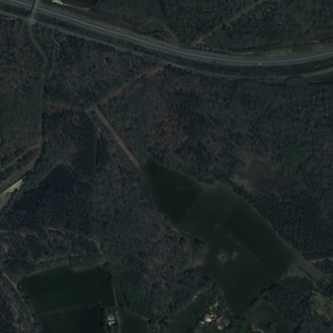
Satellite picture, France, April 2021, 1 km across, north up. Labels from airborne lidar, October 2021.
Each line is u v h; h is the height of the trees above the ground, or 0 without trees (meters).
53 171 8
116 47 0
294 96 11
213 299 6
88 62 18
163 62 18
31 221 29
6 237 15
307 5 19
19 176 0
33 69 21
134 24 10
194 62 0
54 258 17
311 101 9
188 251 0
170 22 16
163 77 15
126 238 25
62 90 20
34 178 26
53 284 0
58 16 0
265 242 0
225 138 14
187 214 0
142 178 27
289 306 15
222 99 11
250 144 19
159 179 0
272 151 19
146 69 26
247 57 0
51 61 17
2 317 19
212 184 19
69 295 0
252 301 0
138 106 23
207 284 26
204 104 12
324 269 9
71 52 24
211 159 22
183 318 0
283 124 21
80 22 0
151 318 22
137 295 24
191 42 16
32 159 18
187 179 0
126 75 13
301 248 15
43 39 22
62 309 0
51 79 9
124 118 27
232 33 15
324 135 21
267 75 17
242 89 23
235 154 21
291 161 23
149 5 16
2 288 17
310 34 19
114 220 21
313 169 16
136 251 24
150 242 22
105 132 20
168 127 6
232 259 0
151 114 16
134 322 0
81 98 17
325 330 23
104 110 19
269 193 19
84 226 21
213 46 15
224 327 7
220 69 11
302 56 0
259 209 15
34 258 17
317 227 18
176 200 0
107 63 7
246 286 0
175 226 0
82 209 26
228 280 0
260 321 0
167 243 17
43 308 0
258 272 0
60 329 0
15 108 21
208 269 0
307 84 15
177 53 0
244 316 0
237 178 0
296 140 19
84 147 20
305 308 11
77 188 23
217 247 0
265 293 20
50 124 28
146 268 18
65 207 26
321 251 15
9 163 15
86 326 0
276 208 18
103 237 19
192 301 18
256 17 10
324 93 20
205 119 14
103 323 10
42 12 0
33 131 23
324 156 14
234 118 24
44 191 9
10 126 21
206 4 18
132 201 18
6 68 13
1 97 21
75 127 28
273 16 13
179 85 13
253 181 0
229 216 0
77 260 17
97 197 17
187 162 18
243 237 0
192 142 17
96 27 0
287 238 12
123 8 21
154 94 15
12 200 14
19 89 16
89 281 0
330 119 14
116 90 24
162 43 0
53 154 14
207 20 12
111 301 0
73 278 0
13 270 27
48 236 13
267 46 12
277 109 12
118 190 13
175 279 22
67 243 14
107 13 9
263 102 8
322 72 0
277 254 0
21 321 14
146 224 23
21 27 19
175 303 9
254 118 20
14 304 14
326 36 6
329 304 0
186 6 14
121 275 21
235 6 15
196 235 0
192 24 16
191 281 20
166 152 10
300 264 0
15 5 0
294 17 20
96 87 17
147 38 0
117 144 18
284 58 0
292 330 0
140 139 18
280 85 6
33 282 0
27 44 7
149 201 19
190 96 11
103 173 20
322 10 13
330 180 21
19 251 23
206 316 0
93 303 6
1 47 13
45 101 19
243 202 0
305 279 9
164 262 17
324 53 0
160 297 20
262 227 0
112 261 23
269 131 18
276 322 7
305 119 11
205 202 0
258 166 0
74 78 20
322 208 18
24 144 22
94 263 20
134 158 22
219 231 0
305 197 21
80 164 19
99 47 9
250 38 24
